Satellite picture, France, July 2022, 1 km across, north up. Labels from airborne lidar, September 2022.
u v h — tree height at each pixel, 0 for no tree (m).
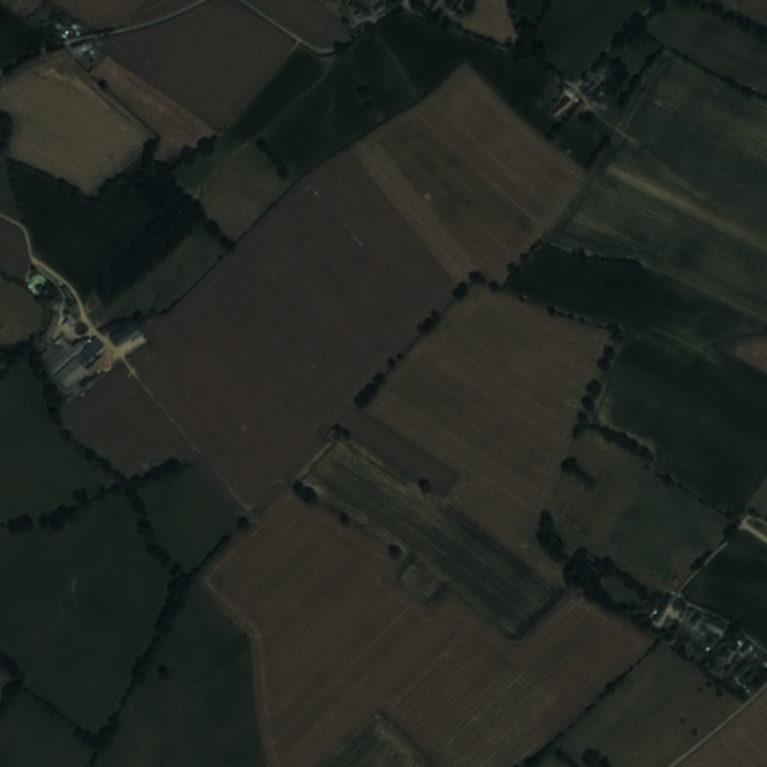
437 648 0
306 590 0
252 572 0
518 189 0
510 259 0
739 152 0
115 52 0
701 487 0
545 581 0
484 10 0
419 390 0
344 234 0
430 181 0
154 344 0
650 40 7
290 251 0
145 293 0
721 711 0
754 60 0
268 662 0
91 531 0
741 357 0
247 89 0
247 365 0
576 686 0
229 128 0
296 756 0
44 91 0
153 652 13
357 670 0
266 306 0
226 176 0
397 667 0
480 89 0
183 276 0
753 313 0
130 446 0
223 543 9
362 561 0
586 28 0
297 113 0
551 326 0
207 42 0
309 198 0
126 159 0
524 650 0
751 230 0
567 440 0
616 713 0
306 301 0
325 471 0
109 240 0
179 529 0
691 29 0
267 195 0
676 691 0
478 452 0
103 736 13
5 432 0
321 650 0
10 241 0
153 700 0
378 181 0
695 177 0
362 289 0
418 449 0
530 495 0
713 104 0
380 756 0
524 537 0
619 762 0
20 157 0
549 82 0
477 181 0
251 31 0
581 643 0
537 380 0
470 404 0
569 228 0
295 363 0
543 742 0
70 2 0
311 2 0
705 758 0
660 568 0
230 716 0
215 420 0
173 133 0
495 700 0
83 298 0
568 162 0
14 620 0
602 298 0
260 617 0
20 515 0
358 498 0
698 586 0
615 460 0
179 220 30
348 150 0
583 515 0
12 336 0
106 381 0
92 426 0
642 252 0
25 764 0
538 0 0
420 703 0
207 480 0
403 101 0
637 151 0
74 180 0
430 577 0
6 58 0
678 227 0
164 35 0
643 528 0
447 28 17
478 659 0
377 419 0
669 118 0
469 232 0
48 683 0
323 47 0
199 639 0
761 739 0
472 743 0
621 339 17
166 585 0
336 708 0
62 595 0
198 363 0
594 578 12
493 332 0
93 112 0
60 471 0
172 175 7
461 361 0
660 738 0
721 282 0
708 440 0
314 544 0
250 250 0
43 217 0
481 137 0
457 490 0
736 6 0
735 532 14
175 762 0
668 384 0
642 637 0
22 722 0
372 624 0
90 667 0
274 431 0
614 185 0
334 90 0
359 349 0
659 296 0
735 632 13
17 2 0
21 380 0
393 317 0
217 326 0
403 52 0
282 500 0
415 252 0
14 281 6
